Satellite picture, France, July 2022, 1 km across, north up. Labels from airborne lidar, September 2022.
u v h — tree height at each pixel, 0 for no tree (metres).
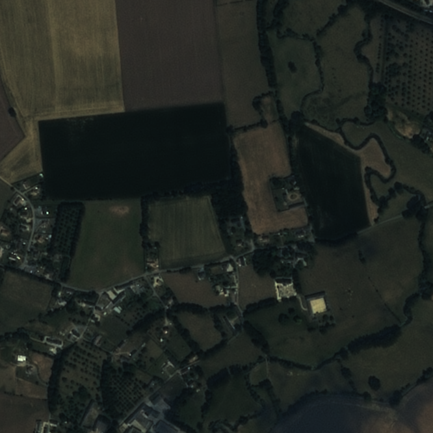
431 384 0
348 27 0
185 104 0
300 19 0
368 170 11
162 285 6
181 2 0
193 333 0
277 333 0
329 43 0
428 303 0
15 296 0
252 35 0
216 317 10
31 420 0
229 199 20
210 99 0
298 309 0
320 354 0
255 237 12
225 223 22
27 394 0
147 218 16
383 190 0
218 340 0
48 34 0
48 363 0
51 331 0
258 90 0
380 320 0
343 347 0
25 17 0
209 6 0
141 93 0
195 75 0
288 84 0
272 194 0
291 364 13
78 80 0
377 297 0
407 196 0
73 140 0
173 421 16
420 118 0
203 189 29
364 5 20
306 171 0
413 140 12
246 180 0
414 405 0
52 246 14
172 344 0
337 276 0
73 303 9
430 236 0
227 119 0
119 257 0
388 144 0
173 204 0
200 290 0
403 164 0
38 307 0
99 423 0
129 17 0
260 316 0
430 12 12
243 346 0
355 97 0
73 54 0
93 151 0
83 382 0
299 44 0
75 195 0
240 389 0
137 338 0
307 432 0
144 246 12
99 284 0
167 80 0
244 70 0
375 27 0
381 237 0
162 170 0
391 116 0
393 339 33
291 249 15
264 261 17
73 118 0
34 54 0
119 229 0
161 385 15
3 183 0
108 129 0
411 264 0
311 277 0
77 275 0
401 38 0
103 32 0
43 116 0
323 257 0
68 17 0
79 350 5
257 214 0
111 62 0
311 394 13
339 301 0
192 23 0
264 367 0
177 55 0
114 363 0
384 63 0
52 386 16
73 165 0
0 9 0
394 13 14
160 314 12
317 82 0
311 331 13
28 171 0
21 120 0
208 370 0
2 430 0
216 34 0
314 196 0
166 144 0
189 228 0
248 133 0
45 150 0
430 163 0
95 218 0
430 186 0
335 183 0
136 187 0
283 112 16
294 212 0
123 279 0
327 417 0
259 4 14
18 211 10
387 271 0
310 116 0
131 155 0
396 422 0
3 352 0
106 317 0
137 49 0
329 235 0
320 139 0
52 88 0
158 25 0
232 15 0
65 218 7
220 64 0
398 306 0
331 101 0
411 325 0
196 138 0
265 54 18
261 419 0
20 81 0
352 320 0
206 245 0
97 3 0
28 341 20
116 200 0
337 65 0
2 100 0
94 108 0
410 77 8
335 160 0
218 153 0
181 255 0
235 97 0
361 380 0
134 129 0
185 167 0
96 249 0
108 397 19
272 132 0
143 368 6
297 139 0
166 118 0
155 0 0
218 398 0
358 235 10
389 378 0
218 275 7
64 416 17
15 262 11
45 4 0
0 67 0
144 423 0
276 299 5
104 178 0
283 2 10
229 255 0
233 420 0
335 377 0
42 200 7
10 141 0
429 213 0
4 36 0
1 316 0
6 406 0
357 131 0
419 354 0
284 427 0
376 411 0
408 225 0
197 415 0
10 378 0
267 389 8
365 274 0
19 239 10
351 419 0
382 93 31
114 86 0
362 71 0
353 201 0
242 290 0
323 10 0
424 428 0
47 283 8
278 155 0
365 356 0
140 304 12
